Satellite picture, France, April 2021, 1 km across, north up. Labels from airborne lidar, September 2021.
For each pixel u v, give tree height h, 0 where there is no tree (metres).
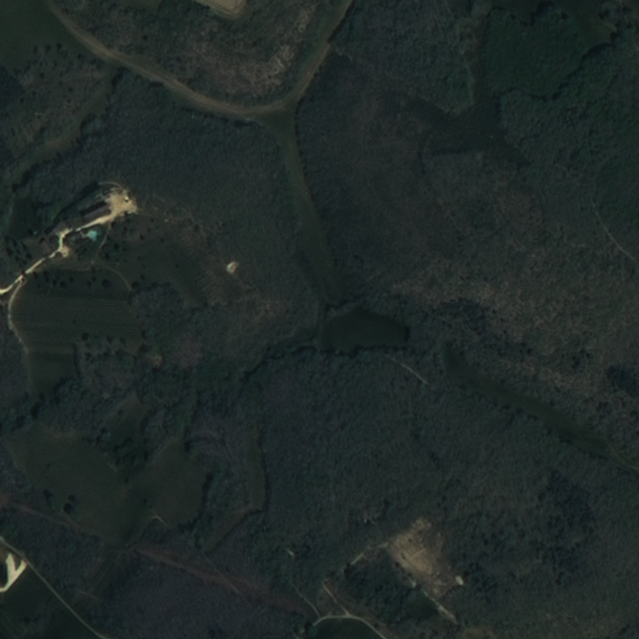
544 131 13
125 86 17
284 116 0
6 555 0
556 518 8
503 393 0
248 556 17
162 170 17
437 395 13
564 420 0
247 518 11
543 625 10
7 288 17
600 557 13
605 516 12
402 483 12
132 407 0
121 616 14
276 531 13
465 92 16
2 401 21
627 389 16
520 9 0
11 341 22
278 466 17
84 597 6
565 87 12
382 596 10
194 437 15
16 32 0
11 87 17
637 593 22
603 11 14
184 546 12
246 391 20
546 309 10
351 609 7
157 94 17
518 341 8
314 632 18
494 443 11
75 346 0
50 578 13
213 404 22
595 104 18
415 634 15
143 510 0
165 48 8
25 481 18
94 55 0
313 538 14
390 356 13
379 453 17
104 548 18
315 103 9
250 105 18
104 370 17
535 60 15
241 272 11
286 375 15
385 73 12
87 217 0
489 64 12
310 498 20
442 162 12
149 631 15
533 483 12
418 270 8
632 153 16
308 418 19
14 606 0
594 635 8
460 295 7
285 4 8
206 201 15
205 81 9
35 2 0
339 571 13
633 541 16
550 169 10
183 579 15
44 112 9
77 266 0
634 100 24
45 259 9
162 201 11
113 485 0
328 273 0
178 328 19
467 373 0
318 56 0
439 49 13
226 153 17
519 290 8
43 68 8
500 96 10
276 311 9
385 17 10
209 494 20
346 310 16
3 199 20
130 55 12
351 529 10
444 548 8
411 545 0
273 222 17
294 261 6
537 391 19
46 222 15
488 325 7
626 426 7
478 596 11
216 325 21
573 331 10
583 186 15
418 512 9
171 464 0
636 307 8
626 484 18
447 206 10
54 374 0
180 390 21
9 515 15
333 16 0
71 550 28
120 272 0
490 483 11
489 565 11
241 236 15
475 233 9
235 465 17
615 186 15
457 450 16
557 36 13
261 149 19
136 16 12
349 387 20
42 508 17
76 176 20
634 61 20
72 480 0
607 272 9
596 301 11
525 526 10
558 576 7
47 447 0
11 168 21
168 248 0
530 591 9
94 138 14
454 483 9
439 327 18
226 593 17
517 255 6
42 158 0
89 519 0
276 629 11
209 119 18
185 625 17
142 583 19
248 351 22
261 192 20
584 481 14
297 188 0
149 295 19
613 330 9
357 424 20
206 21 14
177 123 18
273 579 14
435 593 0
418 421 20
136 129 17
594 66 19
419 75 19
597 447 0
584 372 7
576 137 16
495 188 10
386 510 7
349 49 18
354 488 14
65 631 0
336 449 18
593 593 13
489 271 7
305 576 20
